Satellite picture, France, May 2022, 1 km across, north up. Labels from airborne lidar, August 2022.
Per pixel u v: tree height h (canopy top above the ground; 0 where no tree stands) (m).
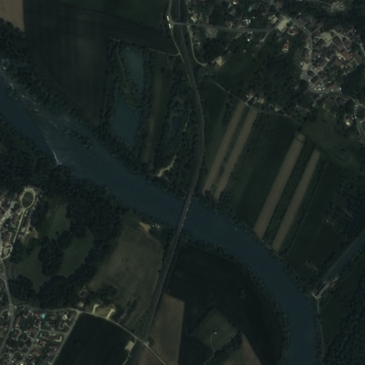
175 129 0
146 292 0
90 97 0
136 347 0
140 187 0
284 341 8
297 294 0
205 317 13
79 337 0
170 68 0
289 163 0
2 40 18
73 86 0
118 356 0
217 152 0
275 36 7
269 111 14
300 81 10
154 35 0
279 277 0
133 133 0
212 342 0
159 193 0
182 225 0
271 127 0
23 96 0
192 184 0
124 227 0
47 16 0
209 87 18
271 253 8
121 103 0
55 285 28
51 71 0
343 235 14
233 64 0
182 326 0
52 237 0
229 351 21
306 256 0
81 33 0
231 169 0
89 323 0
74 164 0
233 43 6
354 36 0
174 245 0
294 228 0
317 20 7
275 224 0
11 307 0
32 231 12
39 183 15
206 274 0
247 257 0
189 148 7
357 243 0
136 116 0
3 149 0
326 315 0
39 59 0
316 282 24
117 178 0
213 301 0
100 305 0
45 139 0
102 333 0
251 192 0
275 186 0
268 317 0
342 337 23
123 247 0
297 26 9
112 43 11
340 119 9
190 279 0
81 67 0
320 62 0
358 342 25
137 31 0
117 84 17
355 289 0
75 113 13
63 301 26
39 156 16
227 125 11
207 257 0
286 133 0
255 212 0
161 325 0
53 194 21
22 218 0
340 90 0
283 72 14
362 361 27
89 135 0
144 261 0
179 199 16
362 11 37
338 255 6
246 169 0
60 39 0
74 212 33
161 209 0
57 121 0
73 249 0
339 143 0
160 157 16
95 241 0
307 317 0
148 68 13
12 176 36
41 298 27
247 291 0
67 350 0
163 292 13
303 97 18
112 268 0
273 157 0
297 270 0
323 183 0
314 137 0
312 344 0
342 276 20
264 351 0
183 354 0
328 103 0
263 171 0
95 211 30
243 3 6
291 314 0
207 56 12
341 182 8
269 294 8
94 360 0
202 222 0
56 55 0
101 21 0
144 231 0
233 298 0
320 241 0
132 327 0
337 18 11
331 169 0
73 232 24
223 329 0
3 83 0
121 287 0
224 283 0
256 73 10
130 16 0
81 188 23
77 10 0
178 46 0
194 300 0
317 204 0
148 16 0
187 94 19
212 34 0
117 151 18
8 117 0
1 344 0
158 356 0
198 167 0
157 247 0
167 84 0
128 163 29
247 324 0
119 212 17
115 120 0
